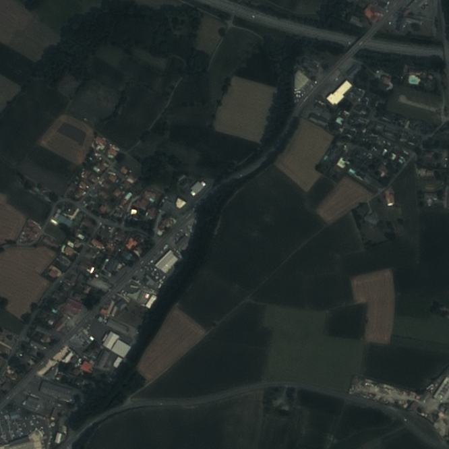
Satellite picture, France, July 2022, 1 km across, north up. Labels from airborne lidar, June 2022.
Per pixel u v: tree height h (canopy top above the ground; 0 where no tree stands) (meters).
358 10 16
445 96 0
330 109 8
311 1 0
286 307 0
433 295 0
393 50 0
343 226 0
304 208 0
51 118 0
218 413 0
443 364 0
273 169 0
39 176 0
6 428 0
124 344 0
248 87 0
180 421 0
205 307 0
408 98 0
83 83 7
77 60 16
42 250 0
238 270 0
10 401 0
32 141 0
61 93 0
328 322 0
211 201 21
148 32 0
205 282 0
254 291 0
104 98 0
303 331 0
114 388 11
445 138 0
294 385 0
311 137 0
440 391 0
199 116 0
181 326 0
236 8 0
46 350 0
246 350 0
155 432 0
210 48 0
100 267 6
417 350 0
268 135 22
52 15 0
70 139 0
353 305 0
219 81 0
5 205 0
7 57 0
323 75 0
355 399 0
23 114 0
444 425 0
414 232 0
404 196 0
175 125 0
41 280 0
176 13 25
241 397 0
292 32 0
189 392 0
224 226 0
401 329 0
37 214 0
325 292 0
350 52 0
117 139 0
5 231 0
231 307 0
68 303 0
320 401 0
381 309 0
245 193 0
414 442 0
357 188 0
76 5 0
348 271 0
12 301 0
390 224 15
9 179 0
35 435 0
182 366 0
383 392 0
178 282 22
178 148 0
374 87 18
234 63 0
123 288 0
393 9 0
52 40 0
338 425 0
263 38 0
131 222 12
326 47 15
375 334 0
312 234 0
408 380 0
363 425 0
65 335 0
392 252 0
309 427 0
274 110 20
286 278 0
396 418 0
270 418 0
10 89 0
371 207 0
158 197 0
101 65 0
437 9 0
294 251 0
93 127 0
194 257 23
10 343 0
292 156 0
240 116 0
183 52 0
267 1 0
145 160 11
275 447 0
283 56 16
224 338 0
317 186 0
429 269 0
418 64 14
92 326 0
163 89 0
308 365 0
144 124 0
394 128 0
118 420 0
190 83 0
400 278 0
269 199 0
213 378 0
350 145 0
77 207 0
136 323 0
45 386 0
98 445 0
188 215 0
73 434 0
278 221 0
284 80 19
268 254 0
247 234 0
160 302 21
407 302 0
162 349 0
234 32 0
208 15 0
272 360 0
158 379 0
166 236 0
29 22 0
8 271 0
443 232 0
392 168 13
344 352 0
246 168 0
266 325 0
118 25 0
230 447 0
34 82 0
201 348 0
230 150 0
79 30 26
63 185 0
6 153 0
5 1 0
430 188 0
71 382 8
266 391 0
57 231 0
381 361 0
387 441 0
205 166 0
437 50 0
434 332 0
